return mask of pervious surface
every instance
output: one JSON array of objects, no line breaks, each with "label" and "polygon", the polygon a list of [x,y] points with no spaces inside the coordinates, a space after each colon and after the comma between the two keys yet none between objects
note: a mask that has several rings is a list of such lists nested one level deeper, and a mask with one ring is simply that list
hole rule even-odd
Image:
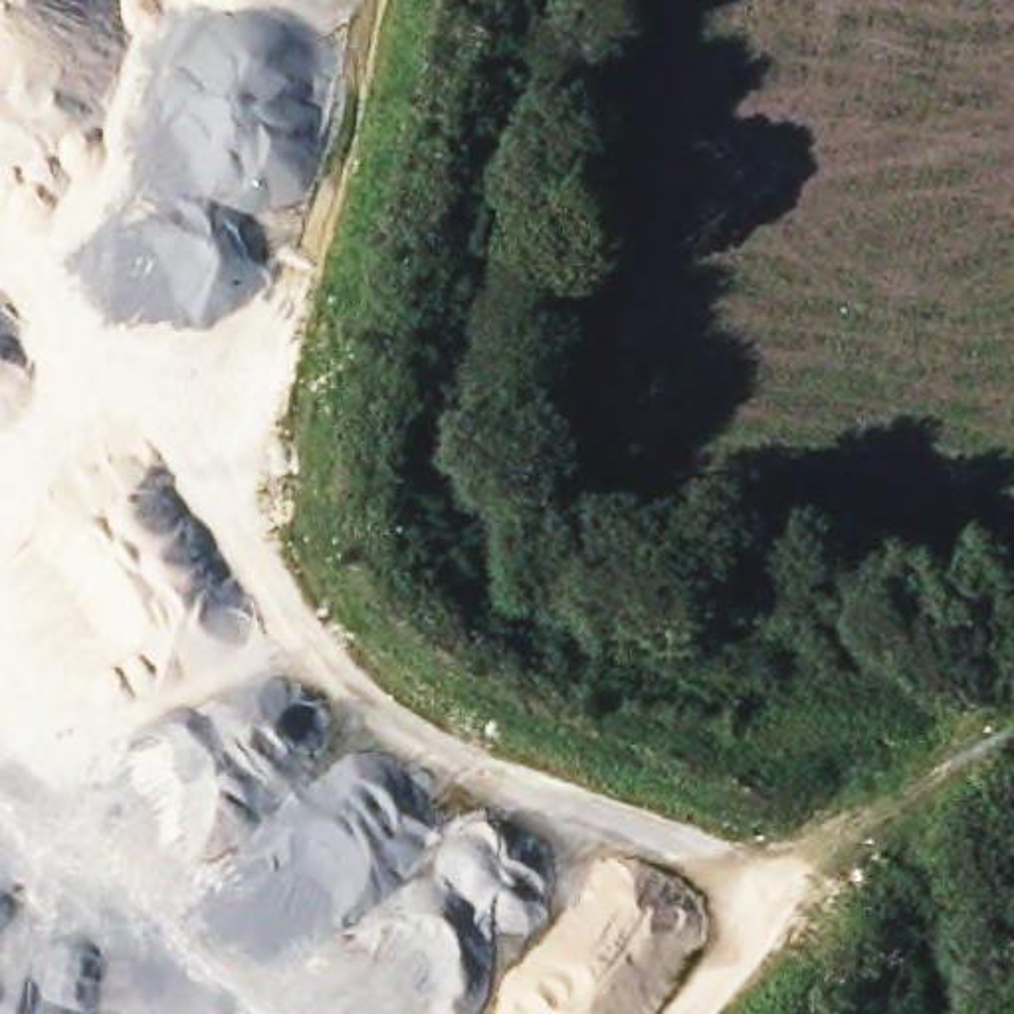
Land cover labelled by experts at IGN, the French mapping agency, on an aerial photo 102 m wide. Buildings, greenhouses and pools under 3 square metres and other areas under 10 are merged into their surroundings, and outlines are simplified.
[{"label": "pervious surface", "polygon": [[844,915],[840,895],[863,887],[860,863],[883,860],[883,848],[883,820],[903,820],[923,800],[939,804],[947,796],[951,772],[998,753],[1014,741],[1014,733],[1006,725],[982,725],[982,737],[974,745],[947,753],[923,776],[911,776],[899,792],[875,796],[848,812],[820,816],[804,824],[792,840],[717,840],[701,828],[665,820],[658,812],[610,800],[582,784],[463,745],[408,713],[404,705],[396,705],[364,669],[356,669],[356,661],[345,650],[349,630],[321,626],[329,610],[305,606],[297,582],[281,562],[277,539],[281,527],[293,519],[293,499],[285,499],[281,475],[297,471],[301,459],[281,452],[277,420],[285,412],[293,368],[301,356],[309,293],[325,273],[325,257],[345,198],[360,170],[360,162],[353,162],[353,151],[360,95],[368,95],[380,63],[380,20],[388,0],[0,0],[0,1014],[721,1014],[780,943],[796,943],[800,931],[832,931]]}]

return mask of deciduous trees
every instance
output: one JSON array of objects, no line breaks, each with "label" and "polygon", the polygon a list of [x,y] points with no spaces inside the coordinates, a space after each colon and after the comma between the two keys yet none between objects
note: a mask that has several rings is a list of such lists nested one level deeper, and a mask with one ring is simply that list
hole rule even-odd
[{"label": "deciduous trees", "polygon": [[947,978],[951,1014],[1014,1014],[1014,741],[998,753],[982,768],[986,788],[963,796],[959,816],[947,816],[951,832],[935,840],[935,860],[927,867],[931,895],[939,907],[935,963]]},{"label": "deciduous trees", "polygon": [[610,491],[582,495],[578,503],[562,503],[555,511],[555,475],[551,467],[535,463],[547,444],[539,416],[555,404],[551,388],[566,372],[562,353],[578,337],[578,297],[610,273],[594,202],[582,190],[582,147],[594,131],[594,119],[570,107],[578,83],[562,79],[562,63],[570,48],[590,51],[606,40],[634,36],[638,24],[630,0],[547,0],[547,12],[531,20],[519,55],[531,71],[507,75],[519,99],[483,170],[483,198],[467,234],[467,250],[487,261],[487,289],[467,321],[467,353],[456,368],[459,400],[452,412],[440,412],[432,452],[432,467],[452,483],[456,503],[467,515],[475,515],[487,531],[491,606],[507,618],[527,618],[539,630],[570,630],[582,654],[598,654],[594,630],[614,626],[618,642],[665,650],[673,658],[697,646],[697,654],[713,661],[721,646],[745,642],[761,626],[761,618],[776,610],[780,590],[820,590],[824,598],[844,594],[836,630],[860,661],[860,669],[871,681],[891,681],[891,689],[899,689],[903,701],[927,709],[935,693],[966,693],[974,705],[1002,709],[1006,717],[1014,713],[1014,555],[1006,547],[994,547],[978,527],[966,527],[959,535],[955,555],[927,555],[907,543],[887,543],[848,574],[840,562],[820,558],[820,543],[828,539],[824,515],[800,507],[788,515],[780,531],[772,519],[761,515],[761,507],[753,507],[741,495],[741,487],[709,487],[697,479],[685,487],[681,503],[638,503],[634,495]]}]

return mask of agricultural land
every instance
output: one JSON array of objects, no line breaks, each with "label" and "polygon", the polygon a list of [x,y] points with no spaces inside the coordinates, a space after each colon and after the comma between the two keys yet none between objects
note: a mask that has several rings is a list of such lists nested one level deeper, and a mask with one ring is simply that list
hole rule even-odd
[{"label": "agricultural land", "polygon": [[761,515],[772,519],[780,531],[788,515],[800,507],[824,515],[828,539],[820,543],[820,558],[840,562],[848,574],[887,543],[907,543],[927,555],[955,555],[959,535],[966,527],[978,527],[994,547],[1006,547],[1014,555],[1014,0],[630,0],[638,24],[634,36],[606,40],[590,51],[570,48],[562,63],[562,79],[578,83],[570,107],[594,119],[594,131],[582,147],[582,190],[594,202],[610,273],[578,297],[578,337],[562,353],[566,372],[551,388],[555,404],[539,416],[547,444],[535,463],[551,467],[555,475],[555,511],[562,503],[578,503],[582,495],[610,491],[634,495],[638,503],[681,503],[685,487],[697,479],[709,487],[741,487],[741,495],[753,507],[761,507]]}]

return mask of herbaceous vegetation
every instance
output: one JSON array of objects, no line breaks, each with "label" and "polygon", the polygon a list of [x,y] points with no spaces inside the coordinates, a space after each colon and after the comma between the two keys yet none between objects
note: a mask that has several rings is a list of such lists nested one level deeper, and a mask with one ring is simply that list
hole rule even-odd
[{"label": "herbaceous vegetation", "polygon": [[780,943],[721,1014],[792,1014],[800,1006],[800,970],[820,955],[836,951],[832,931],[800,931],[796,943]]},{"label": "herbaceous vegetation", "polygon": [[935,860],[935,840],[951,832],[947,816],[959,816],[963,796],[986,788],[982,768],[998,753],[951,772],[947,796],[939,804],[923,800],[903,820],[883,820],[883,848],[907,852],[915,863],[927,867]]},{"label": "herbaceous vegetation", "polygon": [[356,412],[360,384],[345,368],[356,360],[364,329],[380,313],[380,297],[372,293],[368,277],[380,257],[364,246],[364,234],[384,222],[388,198],[396,198],[400,190],[408,139],[416,135],[412,79],[424,75],[432,63],[432,40],[444,0],[388,0],[380,20],[380,63],[368,95],[360,95],[353,151],[353,162],[360,162],[360,170],[345,198],[325,257],[325,273],[309,293],[301,356],[293,368],[285,412],[277,420],[281,452],[301,459],[297,471],[281,475],[285,499],[293,499],[293,519],[281,527],[277,539],[281,562],[297,582],[305,606],[329,610],[321,626],[349,630],[345,650],[356,661],[356,669],[364,669],[396,705],[404,705],[408,713],[463,745],[582,784],[610,800],[658,812],[665,820],[701,828],[717,840],[792,840],[804,824],[820,816],[848,812],[875,796],[899,792],[911,776],[923,776],[947,753],[974,745],[982,737],[982,725],[1006,725],[1014,733],[1014,713],[1006,717],[1002,709],[974,705],[966,693],[935,693],[927,709],[935,713],[931,733],[895,737],[891,768],[848,768],[840,796],[824,784],[820,772],[812,772],[800,784],[776,784],[772,792],[753,792],[733,776],[705,780],[646,741],[638,745],[638,761],[630,768],[610,768],[598,757],[602,741],[594,717],[566,713],[558,689],[551,689],[543,701],[523,697],[519,665],[511,673],[487,677],[471,673],[467,661],[428,646],[404,614],[392,610],[392,602],[384,598],[384,590],[372,586],[364,566],[345,562],[345,547],[337,539],[337,503],[349,491],[341,428]]}]

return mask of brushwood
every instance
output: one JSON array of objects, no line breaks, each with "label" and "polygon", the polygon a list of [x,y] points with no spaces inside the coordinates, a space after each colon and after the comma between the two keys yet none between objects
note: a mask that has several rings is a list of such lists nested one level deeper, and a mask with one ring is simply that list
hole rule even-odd
[{"label": "brushwood", "polygon": [[848,768],[891,768],[895,737],[931,733],[935,713],[927,709],[903,701],[899,689],[891,689],[891,681],[871,681],[860,669],[860,661],[836,630],[844,594],[824,598],[820,590],[780,590],[776,610],[761,618],[761,626],[745,642],[721,646],[713,661],[697,654],[697,646],[673,658],[665,650],[618,642],[614,626],[594,630],[598,654],[582,654],[570,630],[539,630],[527,618],[507,618],[491,606],[487,531],[475,515],[467,515],[456,503],[452,483],[432,467],[432,452],[440,412],[452,412],[459,400],[456,368],[467,353],[467,321],[487,289],[487,261],[467,250],[467,234],[483,198],[483,170],[519,99],[507,75],[531,71],[519,55],[531,20],[547,12],[547,0],[444,0],[432,40],[432,63],[424,75],[412,79],[416,135],[408,139],[400,190],[396,198],[388,198],[384,222],[364,234],[364,246],[380,257],[368,277],[372,293],[380,297],[380,313],[364,329],[356,360],[345,368],[360,384],[356,412],[341,428],[349,491],[337,503],[337,539],[345,547],[345,562],[364,566],[372,586],[384,590],[384,598],[392,602],[392,610],[404,614],[428,646],[467,661],[471,673],[487,677],[511,673],[519,665],[523,697],[543,701],[551,689],[558,689],[566,713],[594,717],[602,741],[598,757],[610,768],[630,768],[638,761],[638,745],[646,741],[705,780],[733,776],[753,792],[772,792],[776,784],[800,784],[812,772],[820,772],[824,784],[840,796]]},{"label": "brushwood", "polygon": [[800,970],[800,1006],[792,1014],[951,1014],[947,978],[935,963],[939,907],[931,895],[927,867],[915,863],[907,852],[883,848],[883,860],[860,863],[863,887],[840,895],[844,915],[832,931],[836,951],[820,955]]}]

